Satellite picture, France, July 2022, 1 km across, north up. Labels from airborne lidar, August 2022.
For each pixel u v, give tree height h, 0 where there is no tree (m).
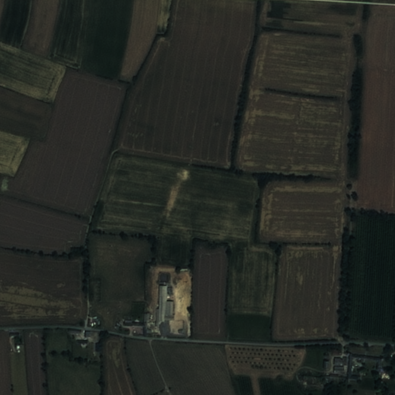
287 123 0
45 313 0
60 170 0
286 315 0
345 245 17
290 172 0
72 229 0
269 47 0
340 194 0
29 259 0
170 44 0
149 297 0
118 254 0
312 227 0
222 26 0
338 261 0
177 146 0
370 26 0
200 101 0
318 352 0
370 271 5
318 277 0
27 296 0
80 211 0
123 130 0
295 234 0
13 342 0
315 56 0
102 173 0
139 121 0
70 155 0
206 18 0
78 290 0
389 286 6
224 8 0
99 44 0
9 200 0
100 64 0
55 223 0
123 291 0
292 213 0
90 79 0
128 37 0
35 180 0
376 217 17
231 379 0
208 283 0
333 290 0
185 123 0
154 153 0
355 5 0
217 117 0
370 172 0
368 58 0
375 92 0
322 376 7
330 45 0
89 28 0
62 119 0
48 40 0
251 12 0
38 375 0
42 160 0
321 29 0
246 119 0
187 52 0
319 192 0
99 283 0
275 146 0
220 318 0
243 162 0
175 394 0
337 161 0
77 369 0
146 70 0
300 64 0
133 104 0
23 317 0
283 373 0
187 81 0
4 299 0
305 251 0
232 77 0
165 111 0
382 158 0
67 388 0
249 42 0
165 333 0
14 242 0
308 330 0
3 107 0
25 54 0
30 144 0
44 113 0
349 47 0
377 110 0
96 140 0
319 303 0
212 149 0
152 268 0
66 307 0
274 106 0
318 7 0
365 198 0
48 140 0
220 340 0
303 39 0
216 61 0
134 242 0
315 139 0
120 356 0
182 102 0
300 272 0
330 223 0
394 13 0
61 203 0
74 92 0
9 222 0
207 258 0
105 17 0
